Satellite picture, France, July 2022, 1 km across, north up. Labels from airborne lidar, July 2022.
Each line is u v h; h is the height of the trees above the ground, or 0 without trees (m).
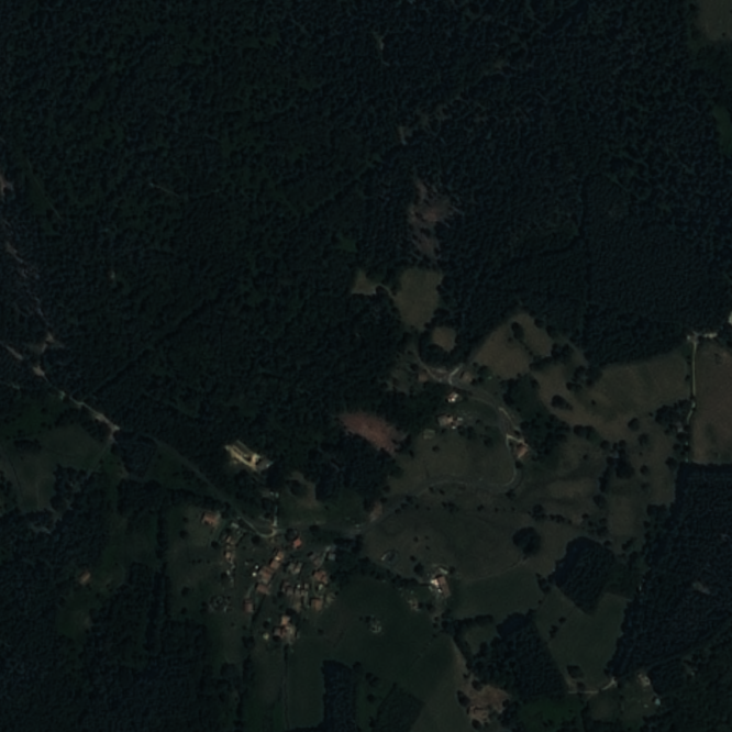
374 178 20
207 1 11
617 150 13
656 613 25
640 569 12
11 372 24
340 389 25
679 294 24
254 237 7
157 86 21
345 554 20
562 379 0
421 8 17
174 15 8
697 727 22
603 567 34
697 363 0
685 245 25
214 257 11
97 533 24
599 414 0
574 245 17
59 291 13
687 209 32
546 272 19
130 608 9
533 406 0
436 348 14
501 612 0
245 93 11
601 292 26
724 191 31
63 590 19
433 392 7
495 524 0
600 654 0
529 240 8
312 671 0
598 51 26
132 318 18
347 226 14
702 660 15
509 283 25
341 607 0
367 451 29
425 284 0
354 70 21
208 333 16
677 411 6
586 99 15
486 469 0
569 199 24
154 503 20
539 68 24
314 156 11
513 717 19
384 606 0
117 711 28
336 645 0
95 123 11
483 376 11
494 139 12
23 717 17
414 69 20
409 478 0
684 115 16
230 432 18
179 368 22
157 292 17
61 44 21
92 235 7
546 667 31
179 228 7
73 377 21
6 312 26
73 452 0
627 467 21
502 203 27
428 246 0
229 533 12
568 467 0
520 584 0
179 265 19
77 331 23
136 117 19
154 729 20
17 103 18
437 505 0
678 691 16
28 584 24
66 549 21
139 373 18
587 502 0
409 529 0
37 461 0
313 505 0
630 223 28
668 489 0
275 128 14
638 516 0
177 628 21
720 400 0
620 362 19
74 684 12
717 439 0
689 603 30
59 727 17
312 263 15
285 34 12
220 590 0
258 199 11
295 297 16
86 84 14
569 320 27
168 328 7
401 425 13
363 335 21
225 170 12
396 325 13
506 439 0
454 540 0
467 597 0
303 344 12
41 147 12
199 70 15
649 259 25
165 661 23
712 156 23
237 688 14
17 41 17
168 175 15
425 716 0
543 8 29
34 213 14
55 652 18
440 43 23
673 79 6
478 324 26
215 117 12
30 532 19
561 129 12
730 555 25
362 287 0
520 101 10
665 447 0
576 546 14
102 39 20
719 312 22
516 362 0
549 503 0
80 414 12
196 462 14
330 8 27
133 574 10
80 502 17
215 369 15
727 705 16
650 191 21
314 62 22
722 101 19
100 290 17
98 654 7
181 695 31
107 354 19
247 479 17
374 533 0
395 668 0
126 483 10
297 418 21
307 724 0
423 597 0
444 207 0
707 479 26
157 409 29
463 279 27
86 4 12
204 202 10
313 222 16
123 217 9
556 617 0
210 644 13
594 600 28
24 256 19
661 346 14
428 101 22
